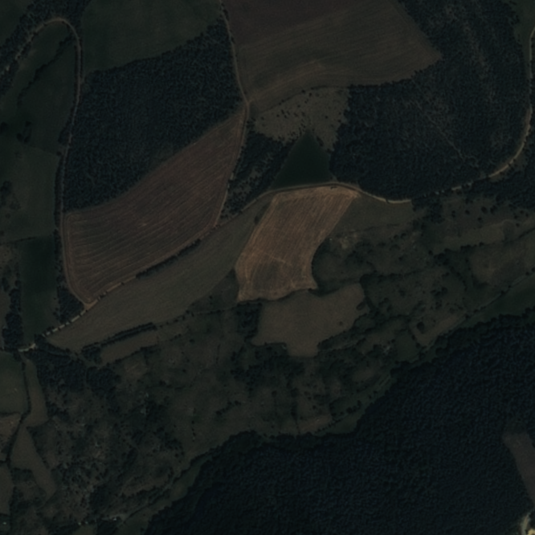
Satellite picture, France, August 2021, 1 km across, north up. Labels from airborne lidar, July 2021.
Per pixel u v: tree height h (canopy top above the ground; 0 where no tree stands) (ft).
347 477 33
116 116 40
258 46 0
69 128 19
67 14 36
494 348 60
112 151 30
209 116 38
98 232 0
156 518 46
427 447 46
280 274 0
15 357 31
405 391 49
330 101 0
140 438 22
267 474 34
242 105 0
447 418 55
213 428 0
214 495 52
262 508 51
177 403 0
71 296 29
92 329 0
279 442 46
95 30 0
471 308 0
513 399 25
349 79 0
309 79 0
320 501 48
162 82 34
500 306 0
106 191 37
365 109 46
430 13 24
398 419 73
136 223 0
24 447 0
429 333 0
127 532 0
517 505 36
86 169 43
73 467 21
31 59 0
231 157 0
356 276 0
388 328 0
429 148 26
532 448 0
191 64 26
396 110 34
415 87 31
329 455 54
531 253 0
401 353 0
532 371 51
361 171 59
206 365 0
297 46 0
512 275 0
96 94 46
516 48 24
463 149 40
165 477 0
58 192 36
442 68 22
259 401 0
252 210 0
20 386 0
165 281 0
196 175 0
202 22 0
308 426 0
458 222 0
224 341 0
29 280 0
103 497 43
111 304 0
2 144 0
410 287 0
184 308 0
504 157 31
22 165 0
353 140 30
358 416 0
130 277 0
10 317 44
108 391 40
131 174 29
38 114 0
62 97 0
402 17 0
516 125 33
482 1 31
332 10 0
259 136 28
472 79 26
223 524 70
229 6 0
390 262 0
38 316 0
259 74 0
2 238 0
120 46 0
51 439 0
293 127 0
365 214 0
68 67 0
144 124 24
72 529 38
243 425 0
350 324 0
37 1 41
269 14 0
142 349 28
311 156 0
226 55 31
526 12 0
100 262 0
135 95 28
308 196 0
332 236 0
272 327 0
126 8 0
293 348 0
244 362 0
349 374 25
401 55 0
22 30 38
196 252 0
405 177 39
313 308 0
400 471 52
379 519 59
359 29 0
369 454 71
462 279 31
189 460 0
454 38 28
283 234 0
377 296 0
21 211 0
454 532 34
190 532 68
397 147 48
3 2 0
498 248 0
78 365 33
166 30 0
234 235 0
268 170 27
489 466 48
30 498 0
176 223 0
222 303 0
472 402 56
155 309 0
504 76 31
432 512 47
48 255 0
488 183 41
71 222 0
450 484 49
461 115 25
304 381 0
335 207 0
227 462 48
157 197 0
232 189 20
